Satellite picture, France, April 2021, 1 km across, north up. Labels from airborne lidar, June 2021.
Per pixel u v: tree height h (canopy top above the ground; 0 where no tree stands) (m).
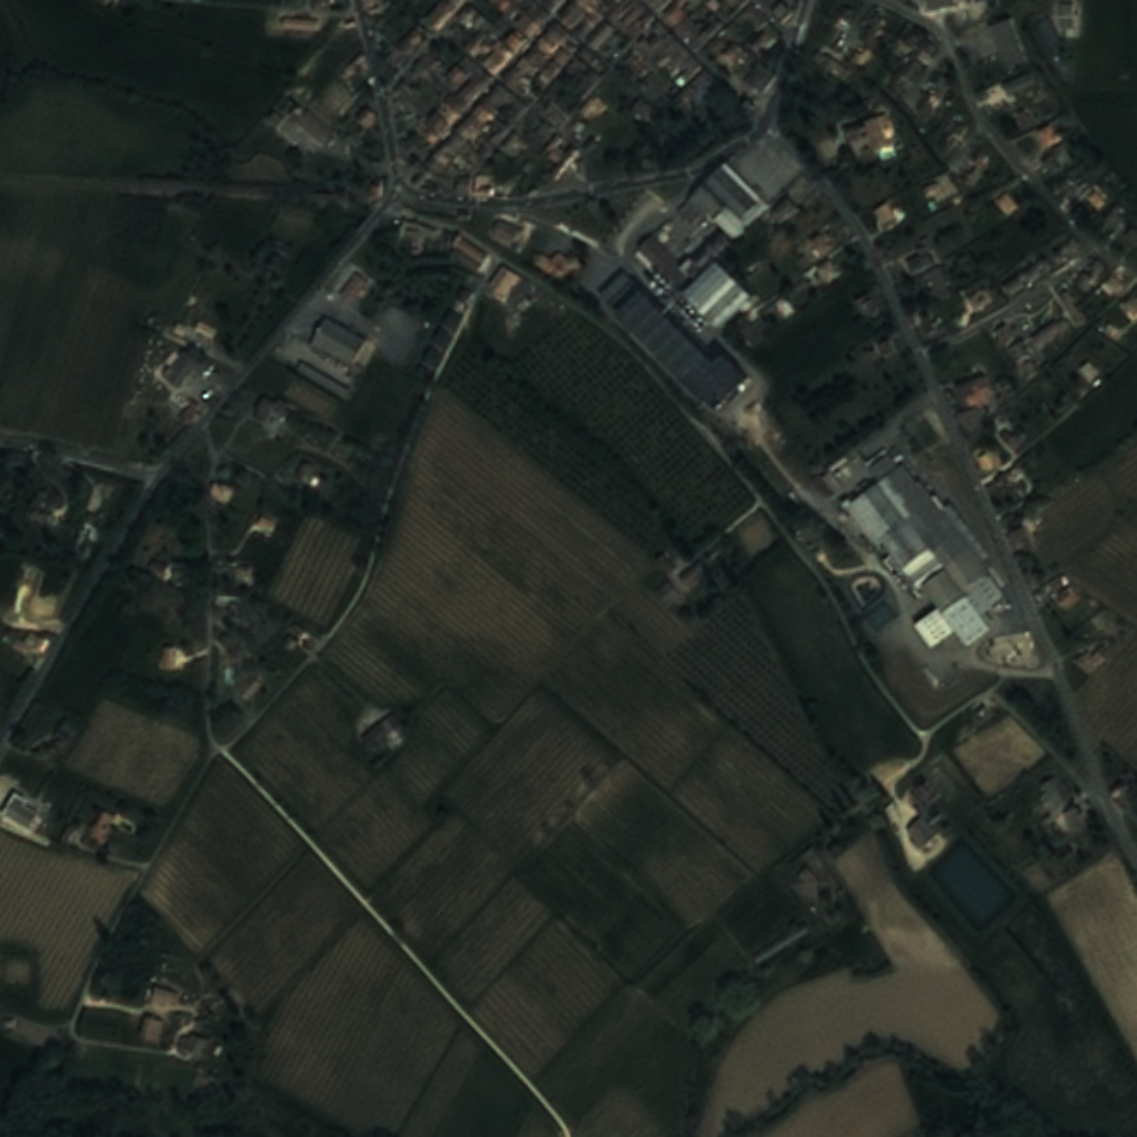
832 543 11
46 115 0
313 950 0
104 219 0
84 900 0
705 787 0
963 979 0
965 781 0
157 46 0
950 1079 7
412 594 0
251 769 0
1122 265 0
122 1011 0
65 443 0
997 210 7
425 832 0
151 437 9
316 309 0
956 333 7
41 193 0
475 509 0
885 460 0
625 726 0
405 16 7
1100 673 0
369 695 0
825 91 19
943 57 0
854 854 0
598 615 0
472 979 0
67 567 8
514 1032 0
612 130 0
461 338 0
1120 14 0
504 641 0
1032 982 0
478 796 0
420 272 11
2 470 14
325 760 0
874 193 0
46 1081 22
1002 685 0
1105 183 7
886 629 0
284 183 0
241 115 0
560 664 0
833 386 6
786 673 0
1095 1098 0
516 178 0
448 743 0
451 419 0
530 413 6
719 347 0
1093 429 0
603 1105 0
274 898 0
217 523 15
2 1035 0
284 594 0
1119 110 0
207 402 0
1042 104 0
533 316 0
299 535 0
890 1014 0
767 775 0
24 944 0
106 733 0
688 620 10
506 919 0
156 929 8
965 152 0
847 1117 0
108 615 0
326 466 9
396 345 0
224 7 0
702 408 14
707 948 0
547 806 0
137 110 0
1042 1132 14
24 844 0
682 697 0
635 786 0
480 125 0
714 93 16
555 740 0
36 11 0
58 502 12
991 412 7
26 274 0
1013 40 0
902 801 0
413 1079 0
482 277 0
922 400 0
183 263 0
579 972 0
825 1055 0
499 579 0
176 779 0
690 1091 8
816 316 0
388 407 0
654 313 0
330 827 0
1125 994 0
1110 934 0
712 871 0
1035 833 7
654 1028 0
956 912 0
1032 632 0
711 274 0
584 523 0
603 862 0
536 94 9
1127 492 0
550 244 0
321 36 0
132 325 0
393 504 15
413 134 7
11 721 0
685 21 0
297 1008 0
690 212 0
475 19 0
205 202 10
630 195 7
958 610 0
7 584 0
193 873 0
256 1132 0
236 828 0
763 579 0
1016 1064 0
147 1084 0
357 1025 0
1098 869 0
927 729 0
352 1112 0
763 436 0
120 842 12
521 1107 0
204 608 18
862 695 0
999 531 0
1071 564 0
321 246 0
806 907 0
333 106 0
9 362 0
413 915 0
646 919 0
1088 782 0
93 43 0
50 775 0
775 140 0
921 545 0
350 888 0
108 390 0
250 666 8
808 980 0
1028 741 0
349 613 0
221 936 0
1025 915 0
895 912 0
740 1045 0
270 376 0
